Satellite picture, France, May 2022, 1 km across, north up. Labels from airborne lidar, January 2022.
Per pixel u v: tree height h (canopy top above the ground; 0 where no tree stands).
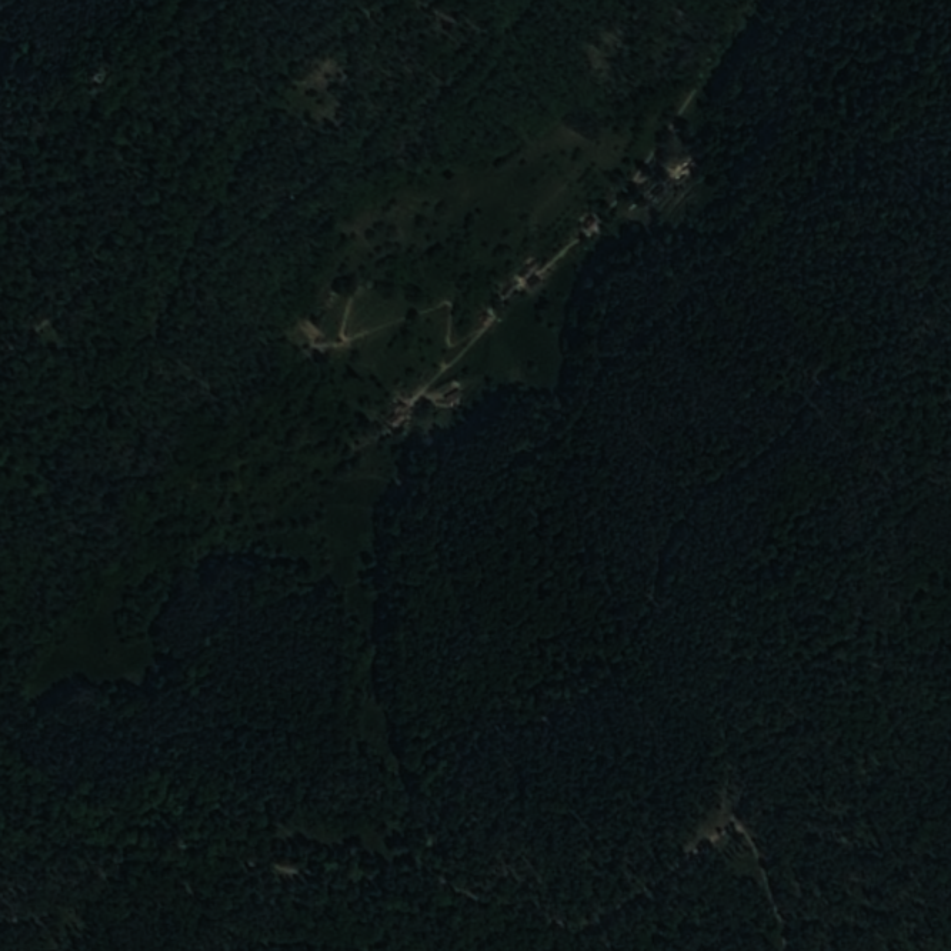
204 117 29
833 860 24
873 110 29
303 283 26
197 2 34
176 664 24
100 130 20
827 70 26
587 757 23
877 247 24
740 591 19
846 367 17
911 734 24
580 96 25
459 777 23
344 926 22
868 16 31
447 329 0
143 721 25
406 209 0
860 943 25
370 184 19
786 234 29
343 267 9
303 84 0
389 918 24
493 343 0
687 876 21
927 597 15
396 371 0
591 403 21
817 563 20
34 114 23
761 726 19
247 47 31
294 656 25
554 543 18
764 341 26
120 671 0
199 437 24
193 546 17
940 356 22
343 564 0
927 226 24
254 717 20
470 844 21
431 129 22
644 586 24
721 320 28
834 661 23
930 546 20
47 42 25
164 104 25
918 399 19
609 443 23
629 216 0
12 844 18
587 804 22
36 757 23
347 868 29
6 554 25
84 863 26
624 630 23
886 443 17
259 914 28
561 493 19
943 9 21
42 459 25
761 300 22
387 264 12
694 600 19
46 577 30
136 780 28
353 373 25
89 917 21
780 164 23
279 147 32
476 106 25
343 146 24
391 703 26
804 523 21
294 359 18
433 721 20
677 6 27
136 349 20
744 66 30
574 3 23
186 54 27
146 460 27
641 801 25
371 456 0
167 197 30
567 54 25
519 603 19
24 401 28
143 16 17
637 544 22
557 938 16
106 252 29
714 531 26
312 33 28
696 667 19
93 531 31
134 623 20
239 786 22
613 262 24
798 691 28
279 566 20
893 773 23
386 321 0
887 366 21
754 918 22
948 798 23
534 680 16
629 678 23
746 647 15
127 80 20
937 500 16
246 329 22
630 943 21
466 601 18
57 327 22
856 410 24
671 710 20
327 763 23
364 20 19
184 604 32
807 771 23
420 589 27
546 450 21
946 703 31
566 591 21
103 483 28
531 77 25
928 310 22
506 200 0
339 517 0
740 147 14
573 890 20
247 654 25
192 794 23
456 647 21
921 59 29
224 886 20
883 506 13
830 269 24
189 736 19
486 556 21
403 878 27
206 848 22
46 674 0
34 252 30
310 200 25
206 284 24
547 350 0
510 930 16
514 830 23
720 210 13
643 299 27
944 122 29
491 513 24
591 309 27
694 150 28
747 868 0
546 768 25
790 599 28
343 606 19
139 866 22
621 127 12
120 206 30
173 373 23
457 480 26
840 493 22
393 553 20
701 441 20
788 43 34
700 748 21
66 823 24
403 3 20
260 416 14
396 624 25
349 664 28
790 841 23
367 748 10
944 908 22
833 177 29
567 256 0
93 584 19
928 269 18
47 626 28
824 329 18
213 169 27
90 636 0
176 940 23
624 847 19
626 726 28
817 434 24
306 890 24
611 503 23
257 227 25
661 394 25
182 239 26
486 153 19
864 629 14
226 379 26
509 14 18
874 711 21
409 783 23
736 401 26
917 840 21
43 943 22
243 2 22
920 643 23
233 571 32
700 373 26
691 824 25
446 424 0
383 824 18
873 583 16
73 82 18
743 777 21
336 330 0
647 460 24
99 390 22
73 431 26
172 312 25
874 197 26
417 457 24
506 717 21
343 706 21
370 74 22
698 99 0
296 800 18
